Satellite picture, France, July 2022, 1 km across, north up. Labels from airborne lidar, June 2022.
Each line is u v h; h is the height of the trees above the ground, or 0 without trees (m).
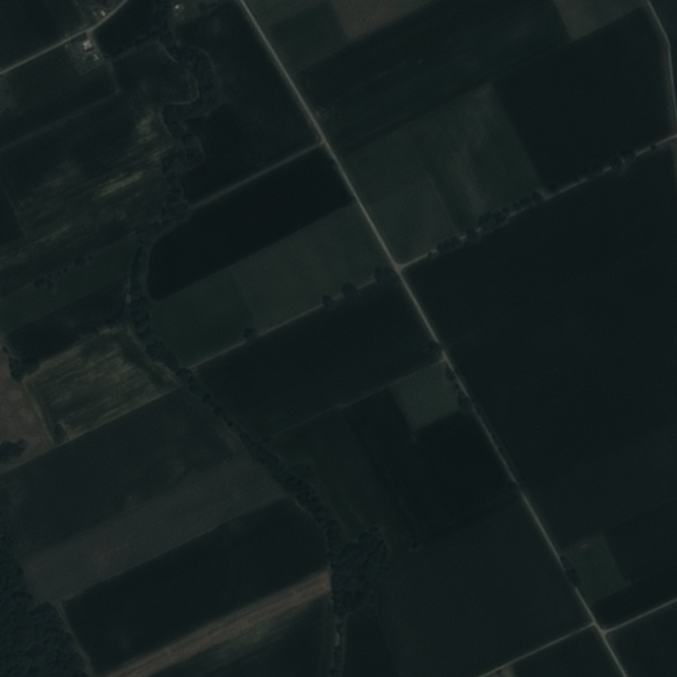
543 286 0
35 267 0
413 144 0
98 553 0
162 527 0
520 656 0
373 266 0
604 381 0
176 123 16
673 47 0
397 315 0
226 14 0
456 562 0
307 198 0
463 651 0
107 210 0
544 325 0
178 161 14
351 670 0
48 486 0
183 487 0
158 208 0
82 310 0
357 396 0
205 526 0
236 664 0
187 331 0
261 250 0
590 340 0
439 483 0
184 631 0
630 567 0
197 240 0
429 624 0
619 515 0
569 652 0
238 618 0
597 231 0
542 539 0
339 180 0
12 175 0
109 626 0
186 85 0
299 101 0
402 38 0
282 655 0
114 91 0
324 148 0
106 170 0
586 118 0
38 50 0
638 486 0
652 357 0
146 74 0
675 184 0
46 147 0
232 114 0
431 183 0
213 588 0
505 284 0
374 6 0
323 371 0
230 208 0
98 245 0
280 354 0
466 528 0
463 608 0
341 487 0
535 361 0
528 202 15
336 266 0
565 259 0
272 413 0
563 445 0
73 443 0
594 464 0
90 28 0
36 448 0
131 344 0
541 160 0
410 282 0
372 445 0
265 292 0
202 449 0
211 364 0
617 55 0
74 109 0
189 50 15
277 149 0
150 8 0
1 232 0
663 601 0
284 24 0
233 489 0
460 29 0
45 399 0
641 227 0
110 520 0
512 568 0
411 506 0
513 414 0
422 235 0
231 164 0
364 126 0
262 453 17
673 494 0
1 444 0
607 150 0
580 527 0
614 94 0
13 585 21
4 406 0
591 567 0
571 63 0
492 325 0
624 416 0
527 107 0
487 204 0
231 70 0
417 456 0
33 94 0
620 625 0
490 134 0
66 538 0
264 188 0
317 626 0
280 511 0
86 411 0
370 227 0
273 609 0
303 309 0
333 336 0
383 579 0
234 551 0
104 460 0
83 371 0
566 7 0
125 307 13
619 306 0
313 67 0
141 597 0
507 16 0
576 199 0
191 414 0
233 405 0
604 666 0
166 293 0
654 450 0
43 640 23
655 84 0
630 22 0
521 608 0
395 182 0
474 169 0
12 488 0
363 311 0
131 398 0
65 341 0
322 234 0
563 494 0
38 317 0
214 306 0
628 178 0
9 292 0
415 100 0
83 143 0
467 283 0
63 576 0
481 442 0
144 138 0
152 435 0
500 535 0
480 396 0
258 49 0
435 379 0
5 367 0
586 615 0
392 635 0
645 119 0
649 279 0
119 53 10
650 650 0
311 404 0
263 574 0
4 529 18
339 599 16
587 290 0
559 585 0
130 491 0
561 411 0
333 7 0
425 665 0
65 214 0
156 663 0
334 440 0
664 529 0
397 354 0
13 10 0
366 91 0
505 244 0
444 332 0
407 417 0
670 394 0
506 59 0
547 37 0
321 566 0
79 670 22
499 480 0
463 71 0
